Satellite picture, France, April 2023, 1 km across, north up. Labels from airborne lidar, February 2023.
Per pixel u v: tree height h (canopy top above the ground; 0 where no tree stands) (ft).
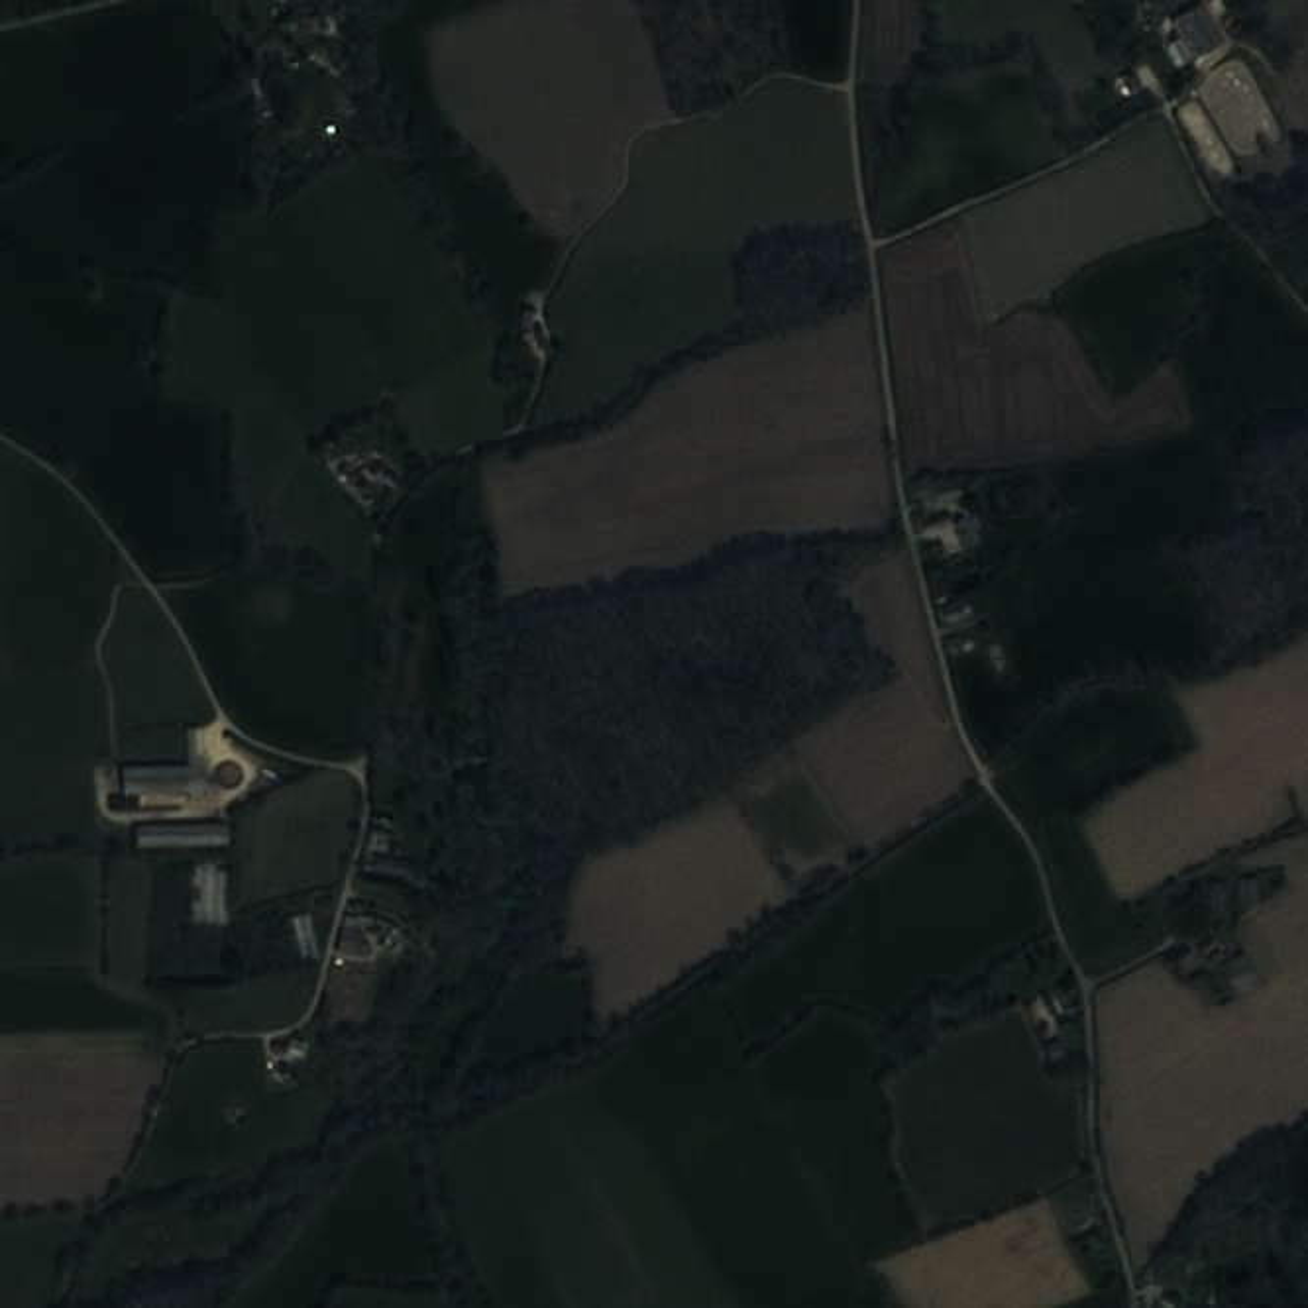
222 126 0
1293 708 0
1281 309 0
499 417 0
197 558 0
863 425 0
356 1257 0
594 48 0
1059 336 0
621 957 0
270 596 0
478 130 0
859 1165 0
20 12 27
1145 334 0
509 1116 0
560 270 0
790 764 0
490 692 71
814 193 0
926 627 0
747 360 0
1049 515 23
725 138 0
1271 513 62
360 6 40
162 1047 0
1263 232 55
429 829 41
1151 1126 0
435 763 44
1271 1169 65
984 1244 0
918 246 0
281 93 78
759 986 0
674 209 0
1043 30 0
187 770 0
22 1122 0
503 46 0
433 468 44
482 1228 0
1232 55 0
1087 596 0
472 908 75
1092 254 0
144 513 0
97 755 0
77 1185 0
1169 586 0
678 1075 0
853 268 67
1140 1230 0
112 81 0
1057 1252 0
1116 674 50
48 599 0
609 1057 29
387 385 0
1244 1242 34
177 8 0
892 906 0
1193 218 0
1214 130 0
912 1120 0
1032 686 0
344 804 0
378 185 0
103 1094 0
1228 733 0
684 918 0
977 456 0
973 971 0
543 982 0
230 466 43
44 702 0
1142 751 0
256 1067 0
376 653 37
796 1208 0
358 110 29
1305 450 66
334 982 0
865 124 21
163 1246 0
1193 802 0
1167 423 0
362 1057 37
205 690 0
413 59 0
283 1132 0
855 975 0
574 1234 0
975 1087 0
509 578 0
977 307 0
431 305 0
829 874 26
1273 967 0
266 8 0
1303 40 0
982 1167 0
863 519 0
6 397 0
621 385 0
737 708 60
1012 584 0
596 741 64
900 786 0
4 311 0
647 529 0
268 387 0
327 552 0
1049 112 55
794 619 77
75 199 0
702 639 61
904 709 0
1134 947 0
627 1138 0
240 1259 51
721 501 0
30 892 0
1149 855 0
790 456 0
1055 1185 0
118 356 0
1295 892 0
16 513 0
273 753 0
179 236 0
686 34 50
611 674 59
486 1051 0
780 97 0
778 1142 0
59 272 0
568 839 70
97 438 0
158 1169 0
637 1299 0
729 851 0
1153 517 0
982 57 52
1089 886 0
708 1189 0
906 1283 0
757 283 82
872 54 0
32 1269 0
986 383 0
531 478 0
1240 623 76
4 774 0
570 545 0
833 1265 0
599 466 0
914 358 0
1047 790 0
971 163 0
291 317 0
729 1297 0
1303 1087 0
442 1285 20
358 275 0
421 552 0
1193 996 0
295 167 20
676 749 67
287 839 0
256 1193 59
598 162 0
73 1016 0
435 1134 77
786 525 0
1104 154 0
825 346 0
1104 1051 0
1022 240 0
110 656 0
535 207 0
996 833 0
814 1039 0
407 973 66
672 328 0
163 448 0
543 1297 0
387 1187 0
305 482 0
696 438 0
